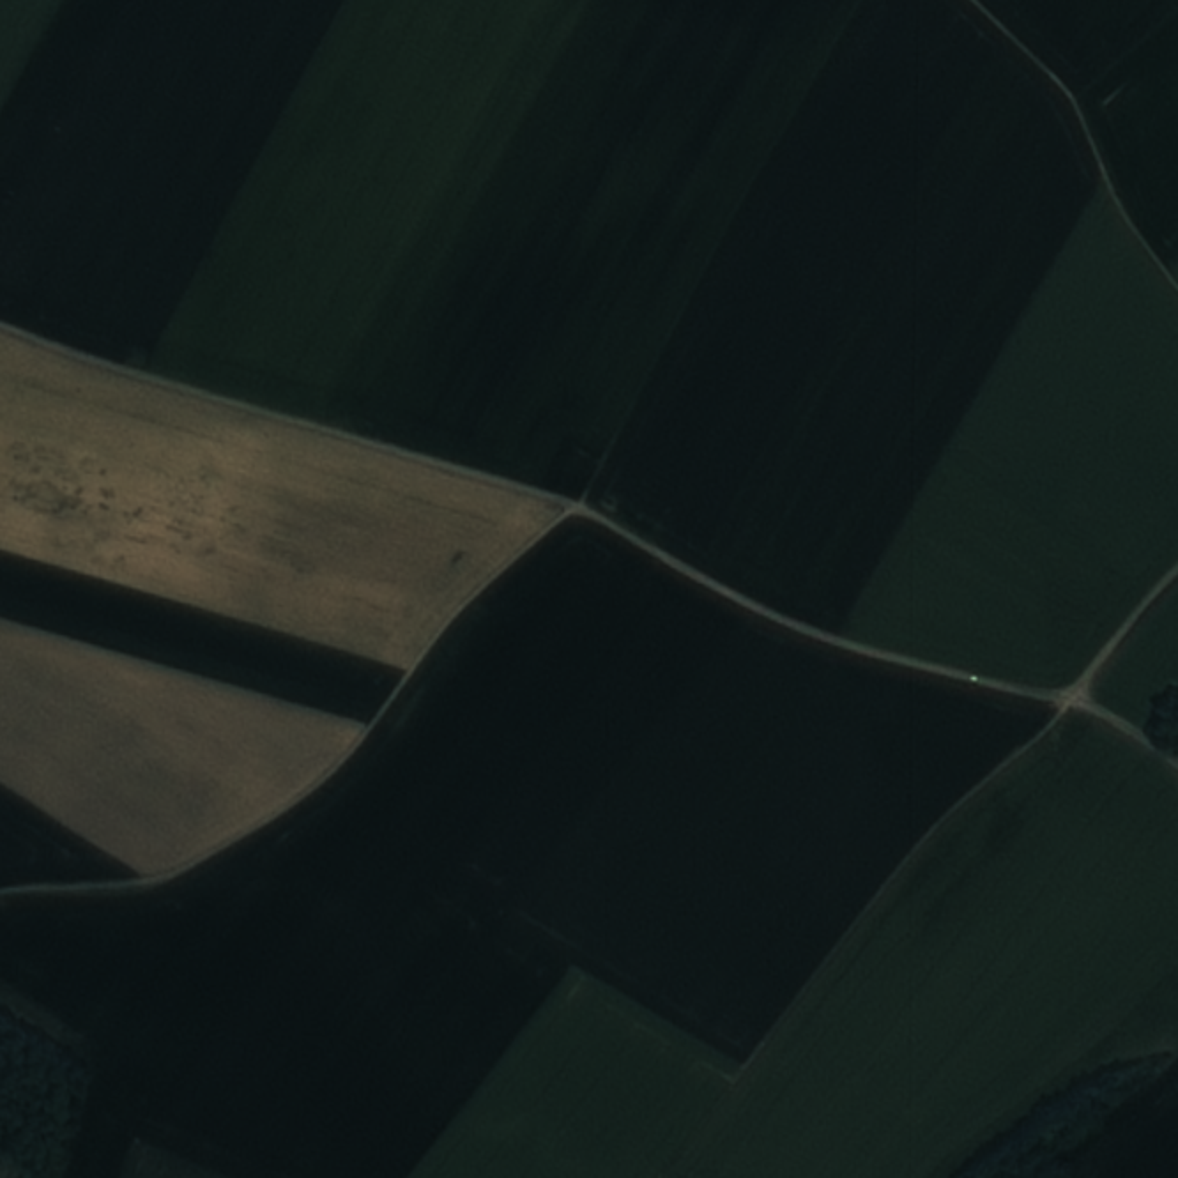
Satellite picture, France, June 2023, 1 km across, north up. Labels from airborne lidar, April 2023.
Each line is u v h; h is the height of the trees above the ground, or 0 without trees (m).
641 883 0
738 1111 0
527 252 0
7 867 0
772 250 0
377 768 0
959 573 0
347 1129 0
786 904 0
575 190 0
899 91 0
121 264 0
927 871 0
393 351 0
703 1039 0
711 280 0
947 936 0
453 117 0
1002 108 0
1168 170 0
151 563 0
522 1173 0
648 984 0
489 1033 0
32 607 0
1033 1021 0
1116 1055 0
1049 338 0
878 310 0
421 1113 0
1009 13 0
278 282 0
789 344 0
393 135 0
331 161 0
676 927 0
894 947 0
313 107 0
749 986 0
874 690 0
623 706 0
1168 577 0
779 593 0
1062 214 0
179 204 0
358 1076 0
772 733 0
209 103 0
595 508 0
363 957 0
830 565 0
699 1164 0
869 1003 0
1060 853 0
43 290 0
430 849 0
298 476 0
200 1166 0
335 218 0
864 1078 0
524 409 0
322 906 0
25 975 0
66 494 0
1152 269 0
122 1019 0
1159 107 0
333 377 0
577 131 0
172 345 0
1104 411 0
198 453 0
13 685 0
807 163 0
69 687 0
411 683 0
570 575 0
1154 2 0
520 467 0
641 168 0
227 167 0
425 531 0
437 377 0
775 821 0
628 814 0
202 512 0
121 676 0
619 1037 0
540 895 0
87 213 0
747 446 0
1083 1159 0
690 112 0
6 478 0
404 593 0
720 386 0
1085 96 0
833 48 0
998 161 0
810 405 0
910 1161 0
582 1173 0
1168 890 0
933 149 0
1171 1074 0
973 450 0
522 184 0
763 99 0
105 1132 0
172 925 0
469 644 0
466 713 0
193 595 0
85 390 0
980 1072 0
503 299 0
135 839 0
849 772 0
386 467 0
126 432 0
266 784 0
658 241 0
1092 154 0
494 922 0
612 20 0
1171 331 0
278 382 0
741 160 0
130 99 0
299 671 0
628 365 0
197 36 0
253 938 0
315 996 0
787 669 0
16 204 0
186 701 0
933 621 0
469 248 0
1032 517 0
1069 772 0
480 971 0
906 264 0
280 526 0
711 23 0
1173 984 0
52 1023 0
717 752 0
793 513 0
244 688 0
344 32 0
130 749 0
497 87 0
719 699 0
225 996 0
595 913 0
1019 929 0
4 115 0
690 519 0
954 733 0
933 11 0
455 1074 0
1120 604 0
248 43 0
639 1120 0
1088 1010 0
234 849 0
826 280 0
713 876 0
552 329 0
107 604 0
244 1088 0
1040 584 0
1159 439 0
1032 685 0
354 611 0
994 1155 14
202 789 0
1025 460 0
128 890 0
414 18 0
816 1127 0
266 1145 0
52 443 0
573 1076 0
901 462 0
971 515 0
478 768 0
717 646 0
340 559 0
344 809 0
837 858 0
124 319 0
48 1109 27
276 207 0
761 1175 0
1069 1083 0
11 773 0
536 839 0
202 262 0
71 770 0
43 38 0
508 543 0
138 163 0
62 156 0
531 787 0
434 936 0
